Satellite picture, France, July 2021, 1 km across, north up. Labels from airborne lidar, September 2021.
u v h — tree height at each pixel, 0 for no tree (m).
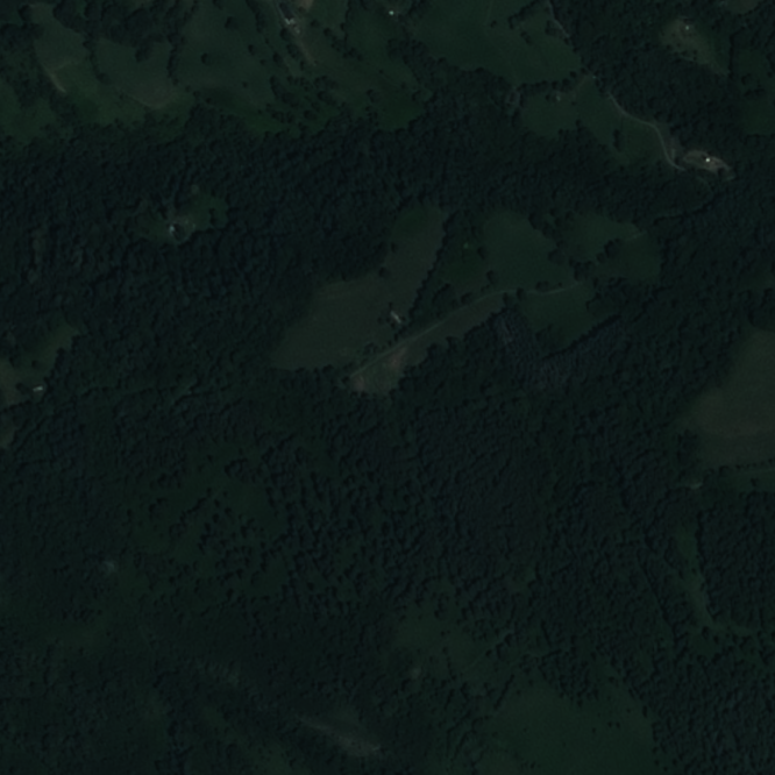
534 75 0
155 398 11
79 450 16
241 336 19
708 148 11
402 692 15
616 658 13
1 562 14
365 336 0
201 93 8
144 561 16
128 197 19
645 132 0
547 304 0
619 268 0
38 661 13
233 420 22
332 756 13
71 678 7
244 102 0
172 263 25
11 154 8
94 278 22
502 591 15
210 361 7
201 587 9
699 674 16
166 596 8
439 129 17
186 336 21
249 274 24
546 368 29
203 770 6
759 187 28
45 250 17
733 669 17
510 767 0
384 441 24
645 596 18
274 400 10
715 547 24
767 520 16
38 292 16
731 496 9
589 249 0
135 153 18
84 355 19
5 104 0
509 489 20
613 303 9
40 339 26
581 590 17
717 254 11
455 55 0
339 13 0
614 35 9
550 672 14
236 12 0
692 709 18
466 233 10
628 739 0
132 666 9
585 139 17
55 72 0
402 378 0
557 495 12
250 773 9
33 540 12
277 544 9
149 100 0
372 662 10
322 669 12
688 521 7
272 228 20
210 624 9
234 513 18
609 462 11
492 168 23
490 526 20
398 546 22
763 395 0
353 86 0
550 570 14
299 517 18
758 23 12
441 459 24
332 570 17
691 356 18
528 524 19
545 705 0
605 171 16
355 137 24
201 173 19
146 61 15
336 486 23
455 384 12
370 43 0
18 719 8
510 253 0
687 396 15
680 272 10
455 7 0
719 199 15
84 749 18
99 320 23
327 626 10
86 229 27
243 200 23
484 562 17
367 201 26
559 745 0
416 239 0
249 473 17
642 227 25
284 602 10
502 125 19
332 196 11
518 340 25
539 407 9
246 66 0
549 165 24
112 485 9
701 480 9
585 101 0
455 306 13
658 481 23
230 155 22
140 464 14
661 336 13
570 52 0
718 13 17
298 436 16
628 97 20
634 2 20
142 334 18
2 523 20
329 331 0
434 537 20
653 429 20
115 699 12
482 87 9
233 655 10
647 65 21
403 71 0
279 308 18
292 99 19
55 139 6
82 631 0
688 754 14
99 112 0
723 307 12
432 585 16
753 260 24
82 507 10
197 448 7
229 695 18
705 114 18
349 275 17
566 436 12
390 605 9
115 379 10
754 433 0
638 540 16
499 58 0
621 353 12
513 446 20
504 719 0
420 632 0
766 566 20
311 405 11
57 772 11
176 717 16
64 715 8
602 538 25
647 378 12
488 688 12
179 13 9
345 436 23
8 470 8
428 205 16
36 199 19
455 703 10
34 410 21
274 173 26
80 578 10
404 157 26
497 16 0
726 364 15
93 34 20
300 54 14
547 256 0
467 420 18
